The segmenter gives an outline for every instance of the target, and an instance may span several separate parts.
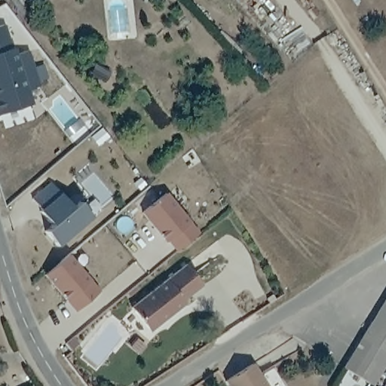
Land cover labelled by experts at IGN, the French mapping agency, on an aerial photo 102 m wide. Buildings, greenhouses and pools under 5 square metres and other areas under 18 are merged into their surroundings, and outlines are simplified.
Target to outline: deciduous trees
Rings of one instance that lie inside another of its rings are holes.
[[[216,312],[195,311],[188,315],[193,327],[213,332],[217,338],[226,333],[226,324],[219,320]]]
[[[182,54],[195,53],[193,47],[188,45],[176,48],[172,53],[164,51],[160,54],[160,60],[175,62],[176,59],[181,59]]]
[[[80,38],[80,41],[74,38],[74,33],[69,33],[68,38],[60,38],[63,29],[54,21],[51,3],[53,0],[33,0],[32,15],[26,26],[30,32],[35,30],[48,36],[50,44],[59,51],[57,54],[60,62],[74,68],[77,75],[84,77],[90,92],[107,106],[116,106],[118,93],[130,87],[122,66],[116,68],[116,81],[112,90],[95,87],[95,78],[90,78],[96,66],[100,66],[101,63],[106,65],[109,51],[107,39],[100,32],[95,32],[92,38]]]
[[[216,78],[213,77],[213,63],[205,66],[201,74],[193,69],[195,63],[188,63],[184,68],[184,81],[178,81],[170,86],[175,92],[175,103],[170,110],[172,113],[167,116],[172,124],[190,134],[219,131],[220,124],[226,118],[226,112],[225,96],[220,92]]]
[[[360,17],[360,30],[365,41],[377,41],[380,36],[386,35],[386,17],[372,12],[363,15]]]
[[[327,375],[327,386],[339,386],[345,375],[345,366],[335,362],[332,356],[324,357],[323,362],[317,362],[311,351],[303,351],[302,347],[297,347],[297,350],[289,351],[280,357],[282,360],[279,368],[268,369],[265,372],[270,386],[286,386],[285,381],[291,380],[297,374]]]
[[[134,142],[145,128],[145,122],[139,119],[134,122],[133,127],[112,133],[112,136],[116,140]]]
[[[252,62],[256,74],[267,78],[268,83],[273,74],[283,71],[283,66],[279,51],[276,54],[270,53],[268,45],[271,42],[265,42],[261,32],[249,35],[238,42],[243,45],[241,53],[246,53],[246,59],[237,59],[234,63],[223,62],[220,65],[226,80],[231,84],[240,84],[243,78],[249,77],[247,62]]]
[[[161,23],[164,26],[179,23],[181,6],[178,5],[175,9],[169,9],[167,14],[161,15]]]
[[[149,164],[149,169],[158,173],[167,160],[172,160],[175,154],[181,151],[184,143],[182,140],[176,140],[173,146],[167,149],[164,157]]]

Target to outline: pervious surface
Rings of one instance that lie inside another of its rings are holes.
[[[354,30],[336,0],[329,0],[326,3],[327,11],[332,15],[336,26],[345,33],[345,38]]]
[[[374,118],[371,109],[366,106],[359,90],[351,81],[350,75],[345,72],[344,65],[339,62],[332,48],[327,47],[323,41],[329,36],[327,32],[320,32],[317,24],[306,17],[306,12],[300,8],[297,0],[274,0],[280,9],[288,9],[288,14],[300,24],[303,35],[311,36],[312,41],[318,44],[327,66],[332,69],[336,83],[386,158],[386,128],[383,127],[383,119],[378,122]]]
[[[365,48],[357,54],[362,60],[363,68],[374,80],[378,92],[383,93],[386,98],[386,80]]]
[[[259,363],[261,371],[265,372],[268,369],[279,368],[282,360],[280,357],[289,351],[297,350],[297,347],[299,333],[289,333],[288,338],[271,333],[244,345],[243,351],[234,354],[225,369],[223,374],[228,378],[240,374],[253,362]]]
[[[289,299],[274,311],[267,314],[259,312],[255,315],[259,321],[270,318],[289,303],[311,291],[314,286],[321,283],[321,280],[326,280],[345,265],[362,258],[386,241],[386,235],[363,247],[359,253],[348,256]]]

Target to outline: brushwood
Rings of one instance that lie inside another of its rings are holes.
[[[222,47],[220,65],[223,62],[234,63],[237,59],[246,59],[246,53],[241,53],[232,48],[222,35],[220,27],[198,8],[198,0],[184,0],[185,8]]]
[[[256,74],[252,62],[247,62],[249,77],[255,81],[256,89],[265,92],[268,83],[267,78]]]
[[[74,360],[72,365],[90,386],[95,386],[98,371],[80,359]]]
[[[181,356],[170,360],[170,363],[163,366],[160,371],[148,375],[136,386],[146,386],[208,344],[199,342],[188,351],[182,348]]]
[[[259,267],[267,276],[273,296],[282,296],[282,286],[271,271],[267,259],[261,255],[255,241],[244,228],[235,238],[246,246],[252,258],[259,262]]]

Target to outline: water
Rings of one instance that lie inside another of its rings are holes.
[[[143,86],[151,100],[151,104],[146,106],[146,112],[158,128],[172,124],[167,116],[158,106],[148,86]]]

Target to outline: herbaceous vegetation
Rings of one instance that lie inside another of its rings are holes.
[[[48,72],[47,83],[39,87],[44,90],[45,96],[53,96],[59,92],[60,87],[63,87],[62,81],[53,71]]]
[[[225,386],[228,378],[223,374],[225,369],[207,369],[201,377],[195,378],[187,386]]]
[[[282,286],[282,296],[273,296],[267,276],[259,267],[259,262],[252,258],[256,279],[264,291],[262,302],[253,299],[252,294],[247,291],[234,297],[234,302],[241,314],[250,311],[253,306],[259,312],[267,314],[274,311],[289,299],[286,297],[288,285]]]
[[[54,65],[68,80],[74,92],[78,93],[87,109],[101,121],[104,130],[110,134],[110,139],[103,145],[96,145],[93,136],[74,146],[72,140],[63,133],[62,128],[48,112],[42,113],[33,121],[24,121],[23,124],[9,128],[0,121],[0,182],[5,191],[6,202],[11,204],[45,172],[50,179],[59,181],[56,187],[60,188],[63,195],[68,196],[72,202],[77,205],[83,204],[86,196],[77,185],[90,173],[100,176],[104,184],[113,191],[113,201],[103,208],[103,213],[95,216],[92,222],[87,223],[68,241],[68,246],[63,247],[54,247],[48,240],[48,229],[44,228],[41,217],[39,220],[27,220],[23,226],[14,226],[5,232],[9,255],[36,327],[41,326],[42,321],[50,317],[51,308],[63,297],[57,289],[56,277],[51,276],[50,271],[60,264],[66,255],[74,256],[81,265],[89,268],[90,273],[96,274],[100,288],[103,289],[136,262],[131,252],[134,232],[119,234],[119,219],[127,217],[133,220],[134,228],[137,229],[145,228],[146,223],[151,222],[145,210],[164,195],[179,205],[182,213],[187,216],[191,214],[188,225],[195,225],[201,231],[201,240],[191,244],[182,255],[173,249],[127,288],[122,289],[118,296],[98,309],[92,317],[87,318],[71,335],[66,336],[65,341],[59,342],[56,353],[51,356],[71,386],[90,386],[72,365],[74,360],[80,359],[80,342],[98,321],[103,320],[107,311],[112,311],[119,320],[133,308],[170,273],[191,259],[225,235],[235,238],[244,228],[243,223],[231,210],[229,199],[220,198],[219,191],[210,188],[208,172],[199,164],[198,152],[191,149],[182,154],[181,151],[175,154],[172,160],[167,160],[158,173],[149,169],[149,164],[164,157],[167,149],[173,146],[176,140],[182,140],[190,134],[172,124],[158,128],[146,112],[146,106],[151,104],[151,100],[143,86],[148,86],[158,106],[167,116],[172,113],[170,110],[175,103],[175,92],[170,86],[178,81],[184,81],[184,68],[188,63],[195,63],[193,69],[201,74],[205,66],[213,63],[213,77],[216,78],[220,92],[225,96],[226,112],[231,112],[246,98],[247,93],[256,89],[255,81],[249,77],[243,78],[240,84],[231,84],[226,80],[220,65],[222,47],[185,8],[184,0],[131,0],[136,14],[136,38],[119,41],[107,39],[109,51],[106,65],[101,63],[100,66],[96,66],[90,78],[95,78],[95,87],[112,90],[116,81],[116,68],[122,66],[130,87],[118,93],[116,106],[107,106],[90,92],[84,77],[77,75],[74,68],[60,62],[57,54],[59,51],[50,44],[48,36],[35,30],[30,32],[36,44],[53,60]],[[167,14],[169,9],[175,9],[178,5],[181,6],[179,23],[164,26],[161,23],[161,15]],[[181,59],[176,59],[175,62],[160,60],[160,54],[164,51],[172,53],[176,48],[188,45],[193,47],[195,53],[182,54]],[[112,133],[133,127],[134,122],[139,119],[145,122],[145,128],[134,142],[116,140],[112,136]]]
[[[283,66],[288,66],[291,59],[312,41],[311,36],[303,35],[300,24],[288,14],[288,9],[280,9],[274,0],[198,0],[198,8],[220,27],[222,35],[232,48],[241,53],[243,45],[238,42],[249,35],[261,32],[265,42],[271,42],[268,45],[270,53],[276,54],[279,51]]]
[[[29,375],[26,375],[21,366],[8,368],[0,374],[0,386],[30,386]]]
[[[286,386],[327,386],[327,375],[297,374],[291,380],[285,381]]]
[[[15,17],[26,26],[32,15],[33,0],[0,0],[0,6],[6,3]]]
[[[51,3],[54,21],[63,29],[60,38],[68,38],[69,33],[74,33],[74,38],[80,41],[80,38],[92,38],[95,32],[100,32],[107,39],[107,36],[104,11],[106,0],[53,0]]]
[[[163,366],[170,363],[170,360],[181,356],[182,348],[188,351],[199,342],[208,344],[217,338],[213,332],[193,327],[188,315],[176,321],[170,329],[158,333],[151,341],[142,354],[134,353],[124,345],[116,353],[110,354],[109,359],[98,371],[95,386],[136,386],[148,375],[160,371]]]
[[[217,255],[196,265],[196,276],[201,276],[205,283],[225,270],[228,259]]]
[[[329,36],[323,41],[327,47],[332,48],[339,62],[344,65],[345,72],[350,75],[351,81],[359,90],[366,106],[371,109],[374,118],[378,122],[383,119],[383,127],[386,128],[386,98],[383,93],[378,92],[374,80],[363,68],[362,60],[357,54],[365,48],[365,41],[360,30],[354,30],[345,38],[345,33],[336,26],[332,15],[327,11],[326,3],[329,0],[297,0],[300,8],[306,12],[306,17],[317,24],[320,32],[327,32]]]

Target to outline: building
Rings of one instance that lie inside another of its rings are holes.
[[[201,231],[195,225],[188,225],[191,214],[187,216],[182,213],[179,205],[164,195],[145,210],[151,222],[166,240],[172,243],[173,249],[182,255],[191,244],[201,240]]]
[[[14,44],[6,24],[0,29],[0,115],[15,113],[33,106],[33,92],[39,87],[47,83],[48,72],[42,60],[33,60],[27,45]]]
[[[74,256],[66,255],[60,264],[50,271],[51,276],[56,277],[57,289],[63,297],[66,303],[71,303],[74,309],[80,311],[93,302],[103,289],[100,288],[96,274],[90,273],[89,268],[81,265]]]
[[[93,136],[96,145],[103,145],[110,139],[110,134],[104,130]]]
[[[345,375],[339,386],[386,386],[386,302],[381,306],[380,312],[345,366]]]
[[[265,372],[261,371],[259,363],[253,362],[240,374],[228,378],[225,386],[270,386]]]
[[[170,273],[133,308],[148,321],[151,330],[157,329],[188,303],[193,302],[193,294],[205,283],[201,276],[196,276],[196,265],[193,265],[191,259]]]
[[[38,202],[42,210],[41,217],[44,228],[48,229],[48,240],[54,247],[63,247],[68,246],[68,241],[87,223],[92,222],[95,216],[90,204],[83,204],[77,205],[72,202],[68,196],[63,195],[60,188],[56,187],[59,181],[50,179],[39,185],[32,193],[32,198]]]
[[[124,345],[134,353],[142,354],[151,341],[140,335],[131,335]]]

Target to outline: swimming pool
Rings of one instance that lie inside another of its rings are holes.
[[[104,11],[107,36],[110,33],[128,30],[128,14],[124,8],[124,0],[106,0]]]
[[[72,127],[75,124],[74,116],[59,103],[54,107],[54,112],[65,127]]]

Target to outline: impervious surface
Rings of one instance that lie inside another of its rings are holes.
[[[122,289],[127,288],[173,249],[172,243],[166,240],[151,222],[146,223],[145,228],[137,229],[134,228],[133,220],[127,217],[119,219],[119,234],[134,232],[131,252],[136,262],[103,289],[93,302],[80,311],[74,309],[71,303],[66,303],[63,297],[51,308],[50,317],[42,321],[41,326],[36,327],[9,255],[5,232],[14,226],[23,226],[27,220],[39,220],[41,217],[42,210],[38,202],[32,198],[32,193],[39,185],[50,179],[45,172],[11,204],[6,202],[5,191],[0,182],[0,374],[8,368],[21,366],[26,375],[29,375],[30,386],[71,386],[51,356],[56,353],[59,342],[65,341],[66,336],[71,335],[87,318],[92,317],[98,309],[118,296]]]
[[[87,109],[78,93],[74,92],[68,80],[54,65],[53,60],[36,44],[30,32],[26,26],[15,17],[6,3],[0,6],[0,29],[6,24],[14,44],[27,45],[33,60],[42,60],[48,72],[53,71],[62,81],[63,87],[60,87],[59,92],[53,96],[45,96],[44,90],[39,87],[33,92],[33,106],[15,113],[0,115],[0,121],[9,128],[23,124],[24,121],[33,121],[42,113],[48,112],[62,128],[63,133],[72,140],[74,146],[93,136],[104,130],[101,121]],[[54,107],[59,103],[74,116],[75,124],[72,127],[65,127],[54,112]]]
[[[128,30],[110,33],[107,36],[107,39],[119,41],[136,38],[136,14],[131,0],[124,0],[124,8],[128,14]]]
[[[326,280],[321,280],[321,283],[314,286],[311,291],[289,303],[270,318],[259,321],[255,315],[259,312],[253,306],[250,311],[241,314],[234,302],[234,297],[247,291],[252,294],[253,299],[262,302],[264,291],[256,279],[252,258],[246,246],[235,238],[225,235],[191,259],[193,265],[196,265],[217,255],[228,259],[225,270],[205,283],[193,294],[193,302],[188,303],[157,329],[151,330],[148,321],[133,308],[119,320],[112,311],[107,311],[103,320],[98,321],[80,342],[80,359],[98,371],[109,359],[110,354],[116,353],[124,345],[131,335],[140,335],[151,341],[158,333],[170,329],[176,321],[188,315],[195,311],[216,312],[219,320],[226,324],[226,333],[217,338],[208,344],[146,386],[187,386],[195,378],[201,377],[207,369],[225,369],[234,354],[243,351],[244,345],[271,333],[288,338],[289,333],[299,333],[297,347],[302,347],[303,351],[311,351],[317,362],[323,362],[324,357],[332,356],[335,362],[345,366],[380,312],[381,306],[386,302],[386,241],[362,258],[345,265]]]
[[[77,185],[86,196],[83,204],[90,204],[95,216],[103,213],[103,208],[113,201],[113,191],[104,184],[100,176],[90,173]]]

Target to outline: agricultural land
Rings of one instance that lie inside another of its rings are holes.
[[[354,30],[360,30],[360,17],[363,15],[372,12],[386,17],[386,0],[336,0]]]
[[[365,48],[386,80],[386,35],[380,36],[377,41],[365,41]]]
[[[271,271],[282,286],[288,285],[286,297],[289,299],[348,256],[359,253],[363,247],[386,235],[386,158],[336,83],[332,69],[327,66],[318,44],[312,41],[291,59],[288,66],[283,66],[283,71],[273,74],[268,83],[265,92],[256,89],[247,93],[246,98],[231,112],[226,112],[226,118],[220,124],[219,131],[190,134],[182,140],[184,143],[181,151],[182,154],[191,149],[198,152],[199,164],[208,172],[210,188],[219,191],[220,198],[229,199],[231,210],[243,223],[244,228],[255,241],[261,255],[267,259]]]

